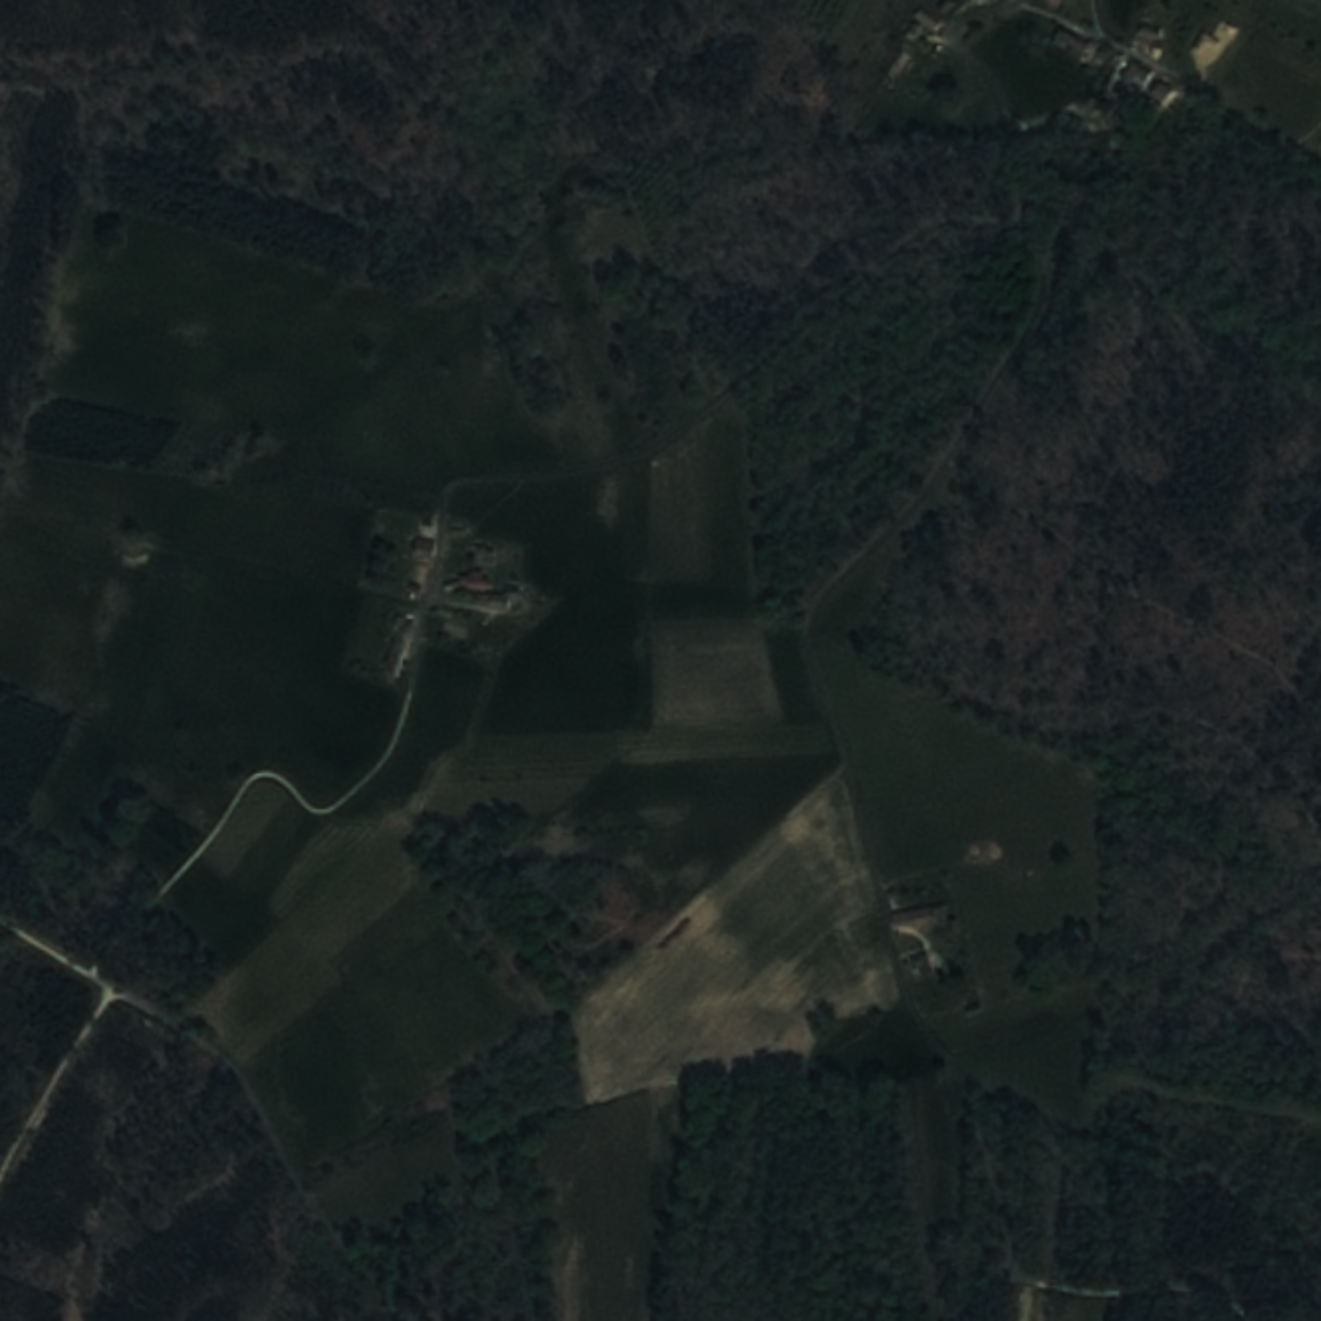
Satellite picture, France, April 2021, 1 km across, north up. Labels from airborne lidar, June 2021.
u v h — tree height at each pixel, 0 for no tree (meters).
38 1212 7
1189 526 21
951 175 30
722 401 0
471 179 11
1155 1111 8
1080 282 16
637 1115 0
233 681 0
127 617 0
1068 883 0
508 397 0
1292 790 23
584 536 0
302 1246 14
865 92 0
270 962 0
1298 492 15
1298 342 25
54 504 0
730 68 15
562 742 0
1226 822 23
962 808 0
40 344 10
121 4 7
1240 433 23
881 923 0
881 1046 0
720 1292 19
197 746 0
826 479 18
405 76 18
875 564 0
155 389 0
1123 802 19
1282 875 15
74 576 0
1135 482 13
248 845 0
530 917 17
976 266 17
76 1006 6
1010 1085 0
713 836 0
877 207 25
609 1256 0
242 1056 0
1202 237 21
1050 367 19
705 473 0
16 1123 23
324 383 0
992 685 14
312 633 0
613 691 0
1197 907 10
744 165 20
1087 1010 0
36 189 8
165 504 0
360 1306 8
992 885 0
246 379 0
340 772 0
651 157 22
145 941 28
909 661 20
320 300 0
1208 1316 21
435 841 13
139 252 0
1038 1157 18
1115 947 16
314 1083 0
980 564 12
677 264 21
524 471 0
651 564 0
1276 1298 13
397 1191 0
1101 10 0
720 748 0
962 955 8
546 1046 16
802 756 0
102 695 0
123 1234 12
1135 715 7
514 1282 9
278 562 0
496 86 17
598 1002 0
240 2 17
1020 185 17
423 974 0
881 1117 20
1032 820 0
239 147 13
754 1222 15
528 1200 23
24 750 6
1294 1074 17
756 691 0
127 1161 23
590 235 0
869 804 0
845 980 0
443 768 0
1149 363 20
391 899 0
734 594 0
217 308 0
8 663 0
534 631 0
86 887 15
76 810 0
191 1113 16
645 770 0
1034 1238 18
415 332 0
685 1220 14
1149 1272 16
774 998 0
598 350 0
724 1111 21
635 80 7
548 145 13
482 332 0
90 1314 8
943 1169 0
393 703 0
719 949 0
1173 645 10
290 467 0
